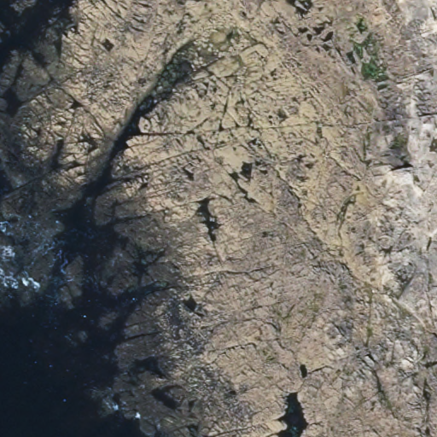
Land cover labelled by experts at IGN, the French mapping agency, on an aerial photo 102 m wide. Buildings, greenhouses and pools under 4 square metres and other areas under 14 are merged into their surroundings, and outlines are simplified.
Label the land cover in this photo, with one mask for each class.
<instances>
[{"label":"bare soil","instance_id":"1","mask_svg":"<svg viewBox=\"0 0 437 437\"><path fill-rule=\"evenodd\" d=\"M70 14L79 17V34L68 32L63 36L61 55L53 56V61L44 68L38 67L31 58L24 61V73L17 84V97L22 106L12 116L10 130H22L24 140L20 142V147L44 160L53 154L58 140L65 142V160L61 162L58 178V184L61 186H68L73 181L89 183L90 179L94 178L97 167L102 166V162L113 169L114 160L125 152L128 155V166H142L145 171V176L137 179L135 183L123 184L126 196L130 198L140 188V184L147 183V210L154 212L166 207L171 208L172 215L166 217L167 225L178 230V241H184V258L179 259L178 266L183 273L181 285L188 287V290L181 292L179 300L195 299L196 304H200L208 311L205 318L196 316L193 311L188 318L189 326L193 328L196 340L205 347V352L196 355L191 345H184L183 348H178V352H172L171 357L176 364V370H172V377L176 384L186 387V391H195L196 399L203 401L205 425L210 428V437H437V0H79L70 7Z\"/></svg>","mask_w":437,"mask_h":437},{"label":"water","instance_id":"2","mask_svg":"<svg viewBox=\"0 0 437 437\"><path fill-rule=\"evenodd\" d=\"M79 0H0V437H210V428L205 425L203 401L196 399L195 391H186V387L176 384L172 377V370H176V364L171 357L172 352H178V348H183L184 345H191L196 355L205 352V347L196 340L193 328L189 326L188 318L193 311L196 316L205 318L208 311L200 304H196L195 299L179 300L181 292L188 290V287L181 285L183 273L178 266L179 259L184 258V241H178V230L167 225L166 217L172 215L171 208L166 207L154 212L147 210V183L140 184V188L130 198L126 196L123 184L135 183L137 179L145 176V171L142 166H128V155L125 152L114 160L113 169L102 162V166L97 167L94 178L90 179L89 183L73 181L68 186H61L58 184V178L61 162L65 160V142L58 140L53 154L44 160L20 147V142L24 140L22 130H10L12 116L22 106L17 97V84L24 73V61L31 58L38 67L44 68L53 61V56L61 55L63 36L68 32L79 34V17L70 14V7Z\"/></svg>","mask_w":437,"mask_h":437}]
</instances>
